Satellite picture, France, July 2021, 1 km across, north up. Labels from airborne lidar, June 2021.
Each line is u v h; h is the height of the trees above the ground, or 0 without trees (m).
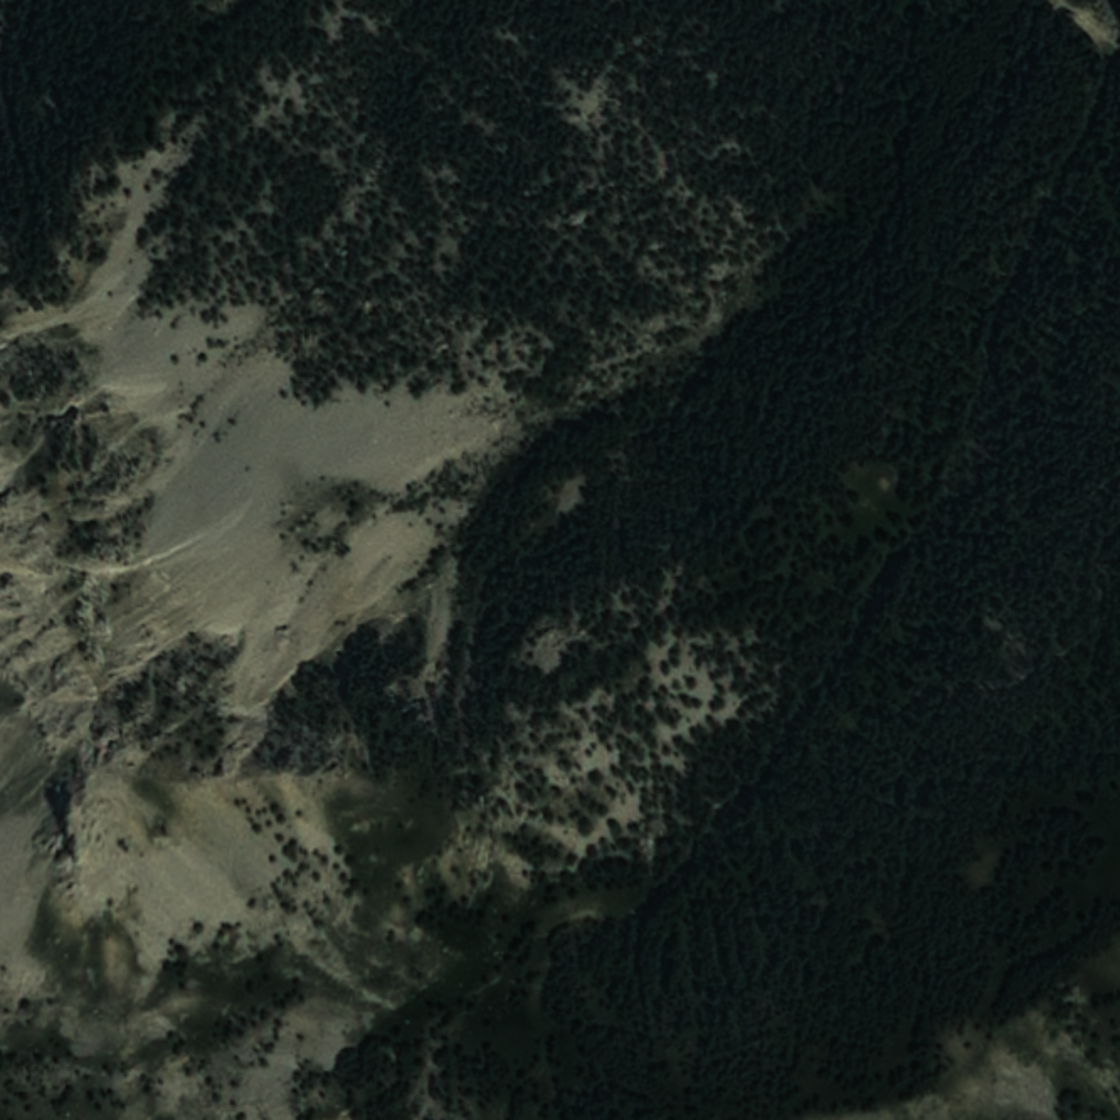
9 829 0
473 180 15
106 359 0
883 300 23
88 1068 0
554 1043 9
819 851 10
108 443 0
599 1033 14
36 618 0
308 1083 8
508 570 12
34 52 23
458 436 0
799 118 24
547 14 20
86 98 23
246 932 0
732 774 14
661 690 7
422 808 0
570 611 14
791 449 17
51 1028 0
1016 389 22
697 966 11
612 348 6
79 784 0
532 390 13
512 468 7
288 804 0
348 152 9
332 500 0
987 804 14
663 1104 10
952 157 30
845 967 19
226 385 0
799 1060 11
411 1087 9
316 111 10
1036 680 17
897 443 20
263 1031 0
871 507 0
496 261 15
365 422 0
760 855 20
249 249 9
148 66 24
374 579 0
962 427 23
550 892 11
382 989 0
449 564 0
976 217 19
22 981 0
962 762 23
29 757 0
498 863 0
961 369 9
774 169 22
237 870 0
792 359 22
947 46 26
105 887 0
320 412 0
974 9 25
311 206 13
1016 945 10
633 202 12
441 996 0
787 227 20
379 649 10
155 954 0
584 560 13
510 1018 0
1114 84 13
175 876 0
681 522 11
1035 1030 0
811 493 16
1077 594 18
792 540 15
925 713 26
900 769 26
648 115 11
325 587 0
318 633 0
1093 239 8
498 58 9
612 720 14
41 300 9
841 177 11
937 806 23
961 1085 0
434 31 23
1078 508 10
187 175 17
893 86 24
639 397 24
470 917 15
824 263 20
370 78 9
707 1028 11
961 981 14
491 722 14
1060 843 16
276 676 0
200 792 0
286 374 0
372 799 0
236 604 0
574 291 16
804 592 10
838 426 13
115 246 0
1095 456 18
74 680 0
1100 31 0
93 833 0
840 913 18
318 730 6
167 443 0
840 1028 14
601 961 13
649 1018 12
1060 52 21
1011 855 13
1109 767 18
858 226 22
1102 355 18
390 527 0
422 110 23
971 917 13
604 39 13
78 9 22
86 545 10
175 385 0
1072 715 27
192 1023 0
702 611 13
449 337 13
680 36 10
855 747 31
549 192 15
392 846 0
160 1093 0
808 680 10
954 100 25
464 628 9
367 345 12
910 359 22
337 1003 0
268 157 12
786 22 24
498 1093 13
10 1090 8
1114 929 11
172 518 0
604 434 27
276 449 0
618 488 9
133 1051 0
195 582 0
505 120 13
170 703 13
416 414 0
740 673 21
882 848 24
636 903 0
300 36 21
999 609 23
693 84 14
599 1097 12
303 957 0
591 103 0
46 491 17
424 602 0
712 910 14
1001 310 8
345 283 9
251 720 0
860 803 28
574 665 21
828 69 20
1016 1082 0
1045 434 20
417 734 11
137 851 0
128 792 0
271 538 0
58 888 0
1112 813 0
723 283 8
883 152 13
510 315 16
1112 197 11
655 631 17
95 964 0
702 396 29
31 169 20
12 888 0
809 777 24
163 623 0
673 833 15
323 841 0
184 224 9
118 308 0
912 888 19
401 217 14
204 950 0
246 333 0
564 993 15
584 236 7
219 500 0
